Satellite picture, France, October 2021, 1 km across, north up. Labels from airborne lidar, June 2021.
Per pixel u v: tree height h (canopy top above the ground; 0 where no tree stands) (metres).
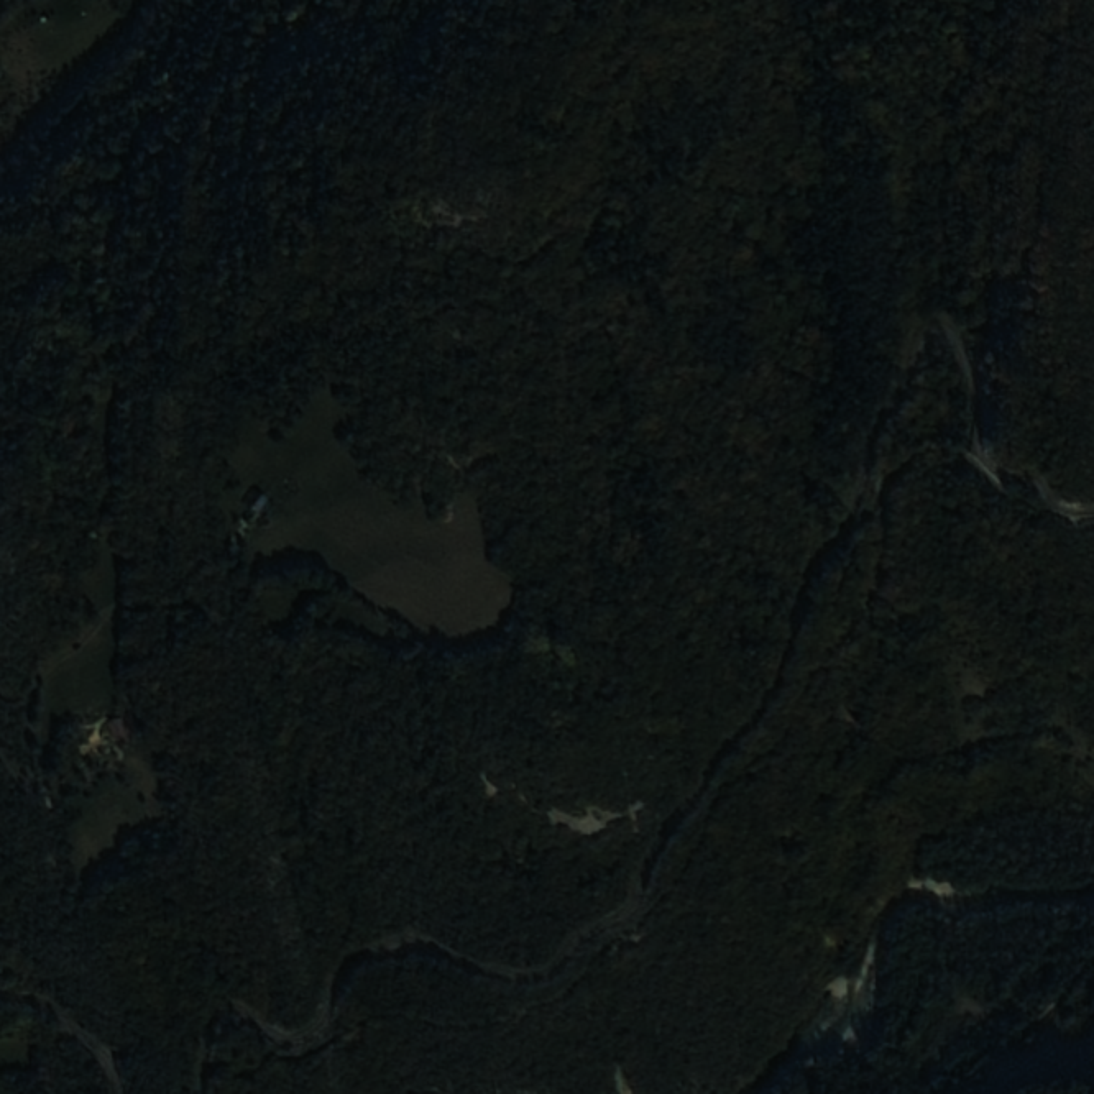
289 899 9
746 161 19
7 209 17
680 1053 17
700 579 17
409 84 23
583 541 8
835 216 21
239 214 22
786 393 22
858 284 26
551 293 14
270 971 16
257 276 14
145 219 18
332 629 10
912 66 24
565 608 14
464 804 9
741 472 17
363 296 16
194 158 21
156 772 6
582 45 16
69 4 0
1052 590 20
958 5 28
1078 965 17
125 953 25
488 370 11
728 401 20
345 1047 12
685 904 15
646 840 7
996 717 18
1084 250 17
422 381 15
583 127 24
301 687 15
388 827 12
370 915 14
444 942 10
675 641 13
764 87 21
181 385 15
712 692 17
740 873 17
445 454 6
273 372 19
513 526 16
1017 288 9
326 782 17
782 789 13
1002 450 15
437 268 12
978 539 27
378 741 13
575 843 9
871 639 21
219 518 12
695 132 27
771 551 18
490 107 22
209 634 16
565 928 9
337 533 0
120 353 14
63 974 6
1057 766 14
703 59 16
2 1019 13
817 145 27
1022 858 19
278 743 24
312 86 21
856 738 28
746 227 24
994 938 18
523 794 6
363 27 23
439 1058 12
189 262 16
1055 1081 27
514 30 15
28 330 24
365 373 14
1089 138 13
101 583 0
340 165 22
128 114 20
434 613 0
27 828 9
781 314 29
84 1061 13
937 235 29
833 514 22
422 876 9
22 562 7
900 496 17
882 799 28
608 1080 14
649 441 13
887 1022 14
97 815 0
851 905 23
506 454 9
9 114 6
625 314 13
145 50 21
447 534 0
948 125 30
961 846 16
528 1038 8
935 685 15
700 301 17
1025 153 27
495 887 12
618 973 9
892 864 24
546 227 10
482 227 6
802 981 13
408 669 15
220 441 14
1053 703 14
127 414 14
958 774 20
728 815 21
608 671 6
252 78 15
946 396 13
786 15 25
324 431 0
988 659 14
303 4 22
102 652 0
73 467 19
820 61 17
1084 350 15
